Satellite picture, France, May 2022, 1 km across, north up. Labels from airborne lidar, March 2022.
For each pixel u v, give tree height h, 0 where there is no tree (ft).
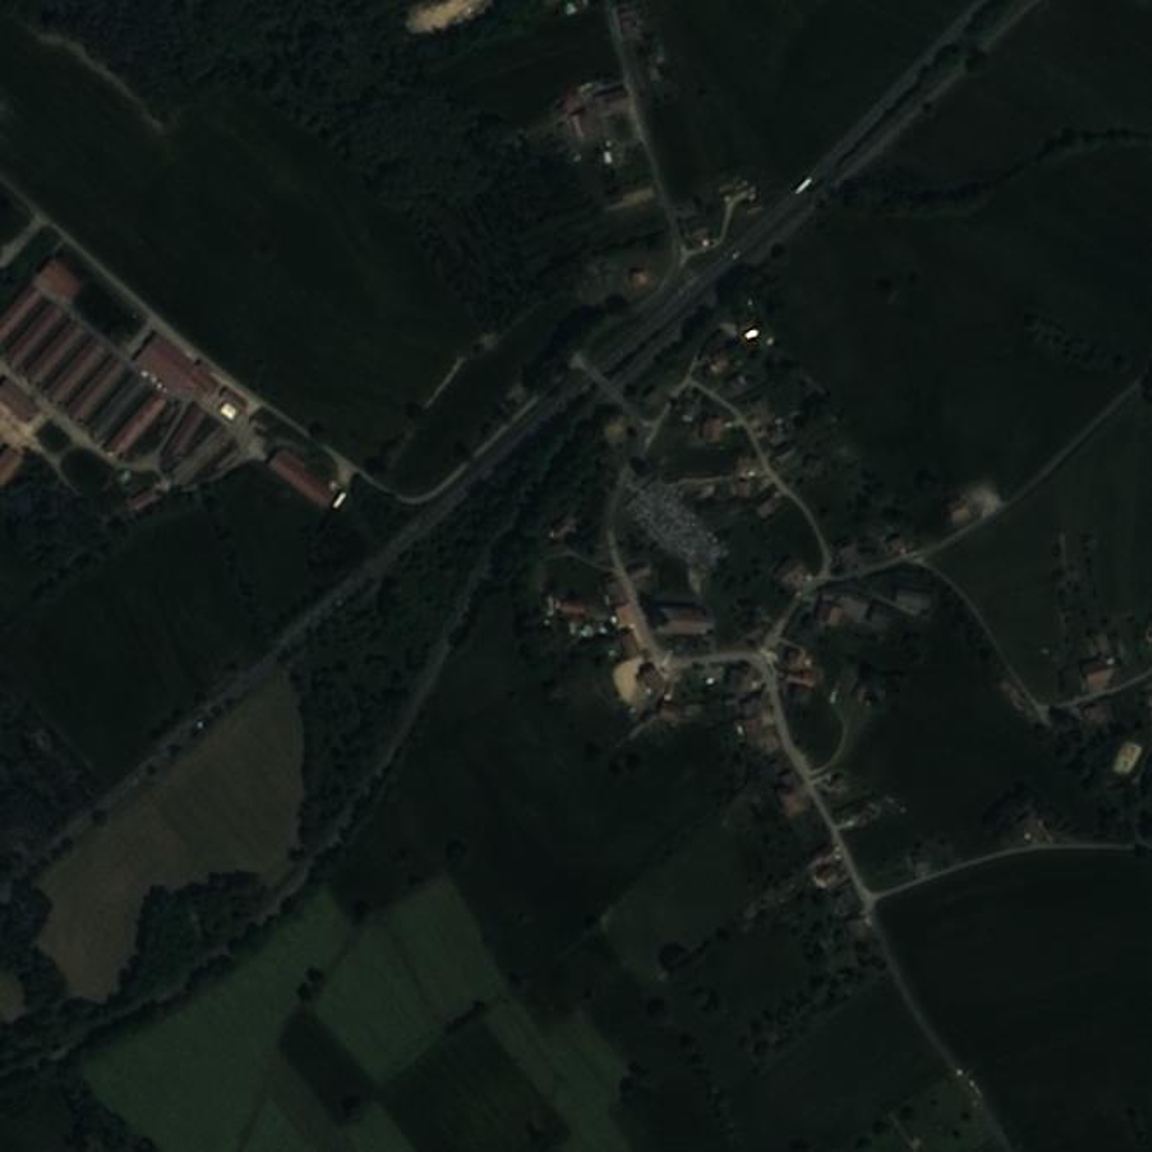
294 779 0
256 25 85
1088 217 0
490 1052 0
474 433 0
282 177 0
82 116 0
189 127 0
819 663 0
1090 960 0
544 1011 0
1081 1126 0
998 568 0
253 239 0
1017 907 0
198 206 0
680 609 0
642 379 0
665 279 0
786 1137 0
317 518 0
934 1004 0
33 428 0
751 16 0
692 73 0
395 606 77
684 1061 0
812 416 56
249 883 57
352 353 0
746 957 0
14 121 0
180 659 0
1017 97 0
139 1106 0
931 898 0
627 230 0
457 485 0
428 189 73
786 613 0
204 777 0
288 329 0
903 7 0
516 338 0
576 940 0
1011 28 0
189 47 80
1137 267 0
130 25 79
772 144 0
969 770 0
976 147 0
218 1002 0
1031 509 0
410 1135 0
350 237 0
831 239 0
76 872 0
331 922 0
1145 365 0
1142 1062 0
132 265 0
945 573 0
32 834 89
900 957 0
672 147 0
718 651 0
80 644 0
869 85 0
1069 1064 0
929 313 0
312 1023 0
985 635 31
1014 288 0
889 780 0
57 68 0
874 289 0
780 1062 0
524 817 0
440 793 0
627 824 0
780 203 0
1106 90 0
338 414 0
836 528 0
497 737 0
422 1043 0
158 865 0
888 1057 0
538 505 69
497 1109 0
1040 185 0
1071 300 0
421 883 31
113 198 0
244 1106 0
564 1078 0
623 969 0
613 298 0
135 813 0
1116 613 0
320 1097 0
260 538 0
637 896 0
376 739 53
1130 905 0
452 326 0
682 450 0
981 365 0
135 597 0
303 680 35
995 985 0
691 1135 0
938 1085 0
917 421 0
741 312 34
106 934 0
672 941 0
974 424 0
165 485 0
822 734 0
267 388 0
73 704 0
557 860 0
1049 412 0
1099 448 0
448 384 0
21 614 0
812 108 0
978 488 0
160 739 46
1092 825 0
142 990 61
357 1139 0
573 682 0
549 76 0
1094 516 0
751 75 0
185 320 0
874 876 0
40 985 74
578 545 58
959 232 0
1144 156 0
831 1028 0
